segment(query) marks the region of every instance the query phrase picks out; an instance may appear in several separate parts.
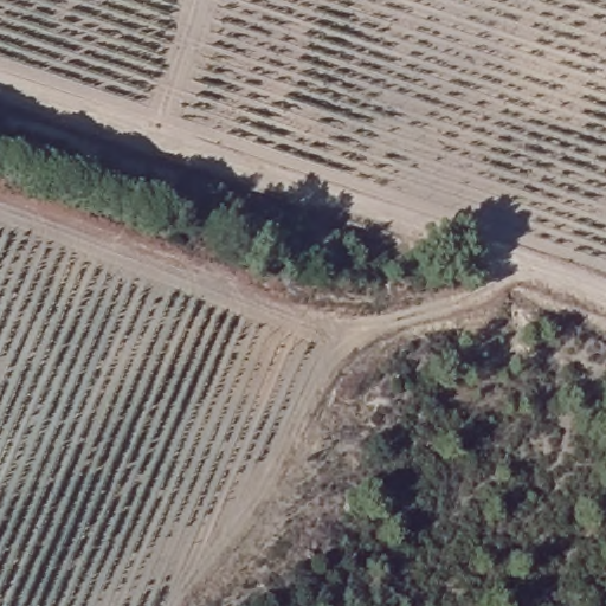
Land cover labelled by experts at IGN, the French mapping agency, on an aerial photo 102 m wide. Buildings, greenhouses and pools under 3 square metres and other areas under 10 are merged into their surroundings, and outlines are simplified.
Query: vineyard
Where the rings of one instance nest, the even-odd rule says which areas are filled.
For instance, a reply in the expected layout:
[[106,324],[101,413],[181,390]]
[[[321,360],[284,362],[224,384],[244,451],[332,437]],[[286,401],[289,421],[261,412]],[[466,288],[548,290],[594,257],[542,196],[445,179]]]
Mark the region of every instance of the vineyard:
[[526,343],[526,327],[514,327],[514,322],[509,322],[502,331],[514,329],[511,350],[530,353],[533,348]]
[[317,424],[308,419],[308,412],[317,405],[320,393],[336,374],[346,355],[341,350],[341,341],[346,336],[346,329],[343,324],[331,322],[336,312],[343,317],[381,315],[388,310],[421,305],[431,294],[412,291],[400,267],[393,260],[388,263],[383,267],[386,284],[367,279],[350,282],[341,277],[334,291],[322,291],[312,284],[298,284],[291,277],[284,277],[282,272],[267,275],[265,270],[256,272],[251,267],[230,270],[218,263],[201,265],[194,258],[189,258],[180,246],[166,251],[156,241],[140,241],[130,232],[121,232],[121,227],[109,225],[107,220],[88,218],[80,211],[73,211],[64,204],[28,199],[24,194],[9,194],[0,189],[0,606],[180,606],[194,589],[194,585],[199,585],[206,578],[206,570],[218,561],[223,549],[230,547],[251,523],[256,507],[267,497],[279,495],[277,476],[282,471],[282,462],[286,459],[289,447],[296,447],[298,462],[322,447],[324,433]]
[[315,161],[341,173],[350,173],[353,178],[369,180],[381,187],[388,185],[407,199],[424,201],[433,208],[447,211],[452,218],[462,208],[476,208],[481,208],[481,204],[488,199],[511,196],[516,211],[528,213],[528,232],[516,244],[521,251],[606,279],[606,0],[0,0],[0,57],[133,99],[140,104],[137,111],[147,118],[149,125],[161,128],[159,118],[173,114],[182,121],[201,121],[213,130],[246,137],[270,149],[305,161]]

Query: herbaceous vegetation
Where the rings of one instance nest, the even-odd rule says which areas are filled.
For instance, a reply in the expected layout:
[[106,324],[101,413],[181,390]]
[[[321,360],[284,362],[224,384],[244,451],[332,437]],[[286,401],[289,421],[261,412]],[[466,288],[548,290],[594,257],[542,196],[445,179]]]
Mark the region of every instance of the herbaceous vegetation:
[[230,547],[223,549],[218,561],[206,570],[206,578],[199,585],[194,585],[194,589],[180,606],[253,606],[263,592],[267,592],[267,575],[282,575],[282,582],[289,587],[294,582],[296,563],[315,556],[317,552],[331,552],[331,523],[339,521],[346,511],[350,511],[350,504],[346,504],[348,488],[362,483],[381,492],[381,481],[376,478],[379,459],[391,452],[391,447],[383,440],[383,431],[398,426],[405,412],[405,398],[395,381],[398,376],[407,374],[410,360],[417,360],[417,372],[424,365],[428,365],[431,355],[428,334],[421,339],[412,339],[407,334],[407,327],[395,327],[383,334],[376,334],[372,341],[367,341],[360,348],[353,348],[346,355],[336,374],[320,393],[317,405],[308,412],[308,419],[317,424],[324,433],[322,447],[298,462],[296,447],[289,447],[286,459],[282,462],[282,471],[277,476],[279,495],[267,497],[256,507],[251,523]]

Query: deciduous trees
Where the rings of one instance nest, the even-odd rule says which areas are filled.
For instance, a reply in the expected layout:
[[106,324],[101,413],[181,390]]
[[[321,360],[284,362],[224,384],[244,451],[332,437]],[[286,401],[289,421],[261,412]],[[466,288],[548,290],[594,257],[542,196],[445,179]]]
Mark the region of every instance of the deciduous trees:
[[533,556],[511,552],[509,573],[516,578],[528,578]]
[[462,457],[464,447],[459,436],[443,433],[433,438],[433,447],[445,459]]
[[386,509],[381,492],[362,483],[348,488],[346,504],[350,504],[350,511],[346,511],[339,521],[355,530],[376,530],[388,547],[395,549],[402,540],[402,518],[400,514],[391,514]]
[[481,594],[476,594],[473,601],[478,606],[507,606],[509,589],[504,587],[483,589]]
[[431,294],[447,289],[473,291],[485,286],[483,272],[478,270],[481,244],[473,220],[476,208],[462,208],[452,218],[445,225],[428,223],[428,237],[419,241],[400,267],[412,291]]
[[457,381],[455,350],[431,355],[428,365],[431,376],[443,388],[452,388]]
[[549,315],[554,310],[542,308],[526,327],[526,343],[533,348],[537,343],[547,343],[554,353],[561,350],[566,339],[556,336],[554,324],[549,322]]
[[192,213],[192,201],[182,199],[173,187],[168,187],[161,180],[116,175],[104,170],[99,163],[85,161],[78,154],[66,156],[54,147],[36,149],[24,137],[0,135],[0,189],[9,194],[24,194],[28,199],[64,204],[73,211],[80,211],[88,218],[107,220],[109,225],[121,227],[121,232],[130,232],[140,241],[156,241],[166,251],[180,246],[189,258],[194,258],[201,265],[218,263],[230,270],[251,267],[256,272],[265,270],[267,275],[282,272],[284,277],[291,277],[298,284],[312,284],[322,291],[334,291],[341,277],[350,282],[367,279],[386,284],[383,267],[388,263],[383,256],[367,256],[365,244],[355,237],[360,227],[350,223],[346,225],[346,230],[327,232],[308,251],[291,253],[284,241],[279,241],[272,234],[270,220],[263,223],[260,232],[246,223],[241,213],[241,201],[234,194],[230,194],[215,211],[211,211],[206,223],[196,223]]
[[561,414],[573,414],[575,433],[599,440],[599,447],[606,450],[606,374],[599,379],[582,381],[570,391],[570,395],[556,393]]

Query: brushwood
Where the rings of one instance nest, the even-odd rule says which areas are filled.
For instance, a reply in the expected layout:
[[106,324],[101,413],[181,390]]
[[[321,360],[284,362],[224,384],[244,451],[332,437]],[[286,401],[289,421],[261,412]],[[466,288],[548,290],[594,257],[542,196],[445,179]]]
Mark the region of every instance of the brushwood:
[[284,241],[291,253],[308,251],[327,232],[346,230],[346,225],[350,223],[360,227],[355,237],[365,244],[367,256],[383,256],[388,263],[393,260],[400,267],[419,241],[405,234],[398,234],[393,239],[388,223],[372,223],[367,218],[353,215],[336,204],[334,196],[329,196],[322,206],[310,206],[298,204],[289,189],[282,187],[258,192],[253,175],[237,175],[225,161],[166,154],[144,135],[118,133],[109,125],[92,121],[88,114],[62,114],[57,109],[43,107],[38,99],[19,92],[12,85],[0,83],[0,135],[24,137],[36,149],[54,147],[66,156],[78,154],[85,161],[99,163],[104,170],[116,175],[161,180],[168,187],[173,187],[182,199],[192,201],[192,213],[196,223],[206,223],[211,211],[215,211],[230,194],[234,194],[241,201],[241,213],[246,223],[260,232],[263,223],[270,220],[272,234],[279,241]]
[[[315,556],[296,563],[294,582],[289,587],[282,582],[282,575],[267,575],[267,592],[263,592],[253,606],[478,606],[473,601],[476,594],[481,594],[483,589],[504,587],[509,589],[507,606],[606,606],[606,450],[599,447],[599,440],[575,433],[573,414],[561,414],[556,393],[570,395],[570,391],[582,381],[599,379],[606,374],[606,334],[589,327],[587,320],[578,312],[554,310],[549,315],[549,322],[554,324],[556,336],[566,339],[561,350],[554,353],[547,343],[537,343],[533,348],[530,353],[511,350],[514,329],[502,331],[509,322],[495,317],[478,331],[445,329],[428,334],[431,355],[455,350],[457,381],[452,388],[443,388],[431,376],[428,365],[424,365],[417,372],[417,360],[410,360],[407,374],[398,376],[395,381],[405,398],[405,412],[398,426],[383,431],[383,440],[391,447],[391,452],[379,459],[376,478],[381,481],[381,492],[386,509],[391,514],[400,514],[402,518],[402,540],[395,549],[388,547],[376,530],[355,530],[339,521],[331,523],[331,552],[317,552]],[[464,447],[462,457],[445,459],[433,447],[433,438],[443,433],[459,436]],[[516,578],[509,573],[511,552],[533,556],[528,578]]]

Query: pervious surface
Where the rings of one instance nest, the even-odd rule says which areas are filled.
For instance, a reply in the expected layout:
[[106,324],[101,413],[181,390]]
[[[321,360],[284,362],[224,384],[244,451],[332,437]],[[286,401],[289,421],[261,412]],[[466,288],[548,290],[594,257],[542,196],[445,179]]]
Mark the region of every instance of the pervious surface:
[[350,173],[341,173],[315,161],[305,161],[270,149],[246,137],[213,130],[201,121],[182,121],[173,114],[159,118],[161,128],[149,125],[147,118],[137,111],[140,104],[133,99],[0,57],[0,83],[12,85],[19,92],[38,99],[43,107],[57,109],[62,114],[88,114],[92,121],[109,125],[118,133],[144,135],[166,154],[225,161],[237,175],[253,175],[258,192],[282,187],[289,189],[298,204],[310,206],[322,206],[329,196],[334,196],[336,204],[353,215],[367,218],[372,223],[388,223],[393,239],[398,234],[405,234],[419,241],[428,237],[428,223],[445,225],[452,218],[447,211],[433,208],[424,201],[407,199],[388,185],[381,187],[369,180],[353,178]]
[[367,341],[372,341],[376,334],[383,334],[395,327],[407,327],[407,334],[412,339],[421,339],[428,334],[445,329],[478,331],[495,317],[509,322],[514,322],[514,327],[526,327],[542,308],[554,310],[578,312],[587,320],[589,327],[606,334],[606,279],[521,251],[516,244],[528,232],[528,213],[516,211],[511,196],[488,199],[481,204],[481,208],[476,208],[473,220],[481,244],[478,270],[483,272],[485,286],[473,291],[447,289],[431,294],[421,305],[388,310],[381,315],[343,317],[336,312],[331,322],[343,324],[346,329],[346,336],[341,341],[341,350],[346,355],[353,348],[360,348]]

